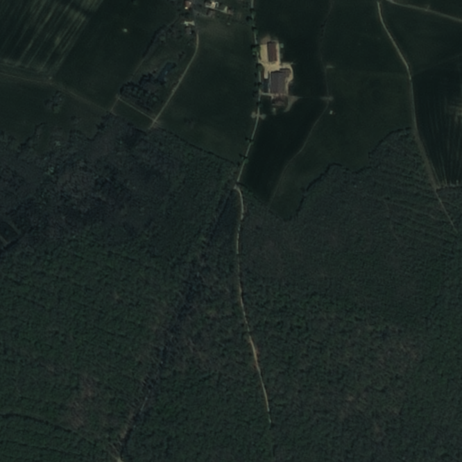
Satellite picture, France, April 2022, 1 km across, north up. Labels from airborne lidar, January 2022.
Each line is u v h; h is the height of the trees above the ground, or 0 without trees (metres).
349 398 27
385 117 0
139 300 21
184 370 24
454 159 0
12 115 0
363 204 18
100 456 22
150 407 21
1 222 15
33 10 0
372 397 24
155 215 19
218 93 0
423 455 29
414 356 21
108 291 23
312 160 0
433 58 0
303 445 22
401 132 11
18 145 20
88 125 0
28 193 19
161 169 18
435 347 19
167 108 0
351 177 18
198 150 10
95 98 0
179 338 27
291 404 21
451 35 0
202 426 24
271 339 21
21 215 16
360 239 13
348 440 26
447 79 0
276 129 0
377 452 27
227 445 23
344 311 23
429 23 0
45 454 20
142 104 13
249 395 18
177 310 21
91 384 26
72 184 21
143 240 10
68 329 22
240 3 0
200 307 26
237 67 0
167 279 25
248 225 15
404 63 0
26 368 21
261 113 0
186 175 9
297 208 0
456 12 0
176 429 28
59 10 0
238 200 13
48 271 22
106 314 21
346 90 0
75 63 0
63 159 14
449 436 23
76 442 22
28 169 20
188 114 0
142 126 0
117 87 0
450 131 0
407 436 22
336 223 16
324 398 22
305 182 0
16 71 0
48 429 16
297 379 22
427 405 21
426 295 15
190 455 27
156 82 9
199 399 23
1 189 17
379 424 20
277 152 0
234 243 14
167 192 13
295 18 0
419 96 0
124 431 23
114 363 25
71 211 16
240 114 0
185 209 14
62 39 0
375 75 0
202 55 0
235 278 24
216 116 0
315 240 15
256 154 0
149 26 0
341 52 0
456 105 0
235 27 0
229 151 0
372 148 0
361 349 22
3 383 25
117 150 16
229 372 23
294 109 0
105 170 13
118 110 0
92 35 0
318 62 0
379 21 0
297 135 0
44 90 0
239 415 19
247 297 20
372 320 21
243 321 21
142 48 0
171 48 0
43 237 18
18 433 22
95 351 22
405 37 0
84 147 18
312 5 0
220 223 13
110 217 16
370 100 0
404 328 20
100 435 24
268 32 0
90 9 0
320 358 23
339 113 0
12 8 0
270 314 22
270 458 18
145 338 24
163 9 0
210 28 0
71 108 0
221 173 16
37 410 22
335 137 0
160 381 19
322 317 21
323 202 18
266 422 23
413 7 0
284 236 16
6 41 0
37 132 13
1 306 23
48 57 0
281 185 0
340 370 20
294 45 0
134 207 19
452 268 19
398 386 21
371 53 0
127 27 0
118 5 0
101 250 20
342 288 16
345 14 0
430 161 0
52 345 22
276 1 0
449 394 23
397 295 15
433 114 0
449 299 23
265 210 12
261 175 0
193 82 0
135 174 17
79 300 23
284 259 13
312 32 0
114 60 0
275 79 0
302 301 19
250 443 24
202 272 22
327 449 23
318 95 0
